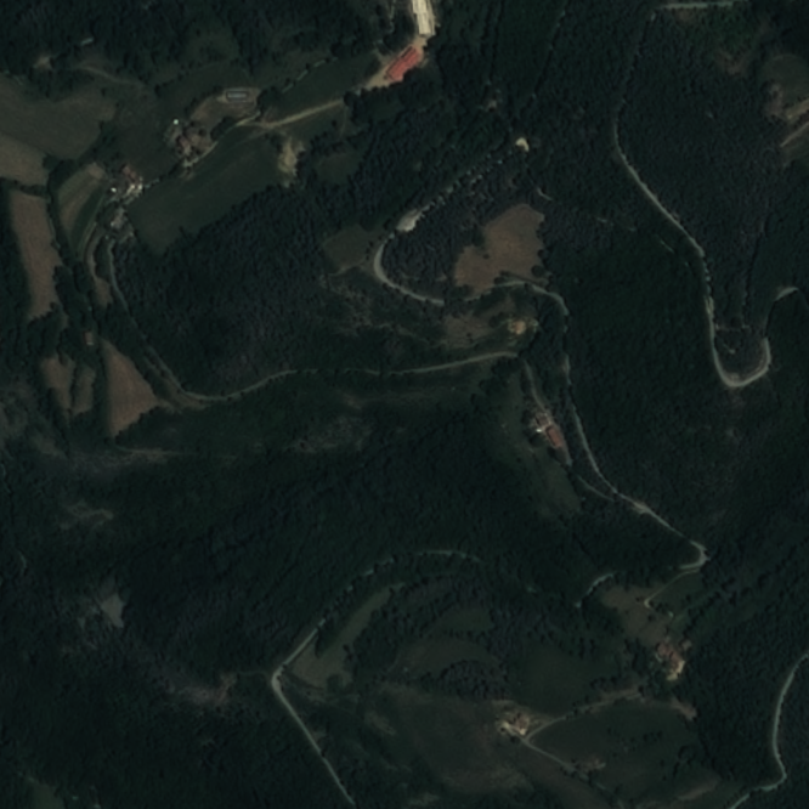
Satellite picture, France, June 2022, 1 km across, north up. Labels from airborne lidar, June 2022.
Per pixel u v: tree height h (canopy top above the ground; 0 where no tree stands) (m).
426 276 14
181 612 20
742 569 23
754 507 9
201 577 15
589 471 13
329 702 0
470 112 17
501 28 15
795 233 34
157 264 7
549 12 12
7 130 0
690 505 8
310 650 0
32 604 12
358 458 13
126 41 17
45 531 7
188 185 0
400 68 0
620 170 13
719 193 17
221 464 7
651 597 0
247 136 0
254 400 14
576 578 7
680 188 15
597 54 19
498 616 15
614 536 23
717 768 14
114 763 25
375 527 18
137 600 14
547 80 16
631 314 16
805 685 6
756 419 7
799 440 9
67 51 10
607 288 16
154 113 0
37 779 8
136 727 22
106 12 12
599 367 8
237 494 11
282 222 13
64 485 7
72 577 11
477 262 0
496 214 14
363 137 13
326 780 15
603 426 12
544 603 15
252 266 6
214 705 0
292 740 15
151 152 0
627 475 10
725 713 6
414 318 7
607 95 20
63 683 31
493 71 13
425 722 0
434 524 15
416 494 14
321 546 14
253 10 6
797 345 16
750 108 18
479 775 0
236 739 16
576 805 0
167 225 0
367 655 7
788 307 25
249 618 17
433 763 0
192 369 8
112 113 0
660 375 9
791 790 10
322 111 0
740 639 11
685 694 10
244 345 9
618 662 7
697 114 16
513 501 24
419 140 18
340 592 15
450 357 8
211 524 11
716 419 9
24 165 0
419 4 0
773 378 11
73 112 0
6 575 19
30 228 0
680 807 0
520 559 15
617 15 12
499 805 10
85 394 0
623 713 0
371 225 14
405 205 11
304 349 17
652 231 11
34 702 20
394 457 23
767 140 10
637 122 17
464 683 12
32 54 12
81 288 15
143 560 17
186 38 10
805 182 17
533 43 15
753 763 11
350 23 19
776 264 30
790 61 0
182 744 29
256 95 0
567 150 10
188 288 11
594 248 12
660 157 14
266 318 12
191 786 21
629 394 8
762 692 8
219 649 10
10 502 12
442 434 18
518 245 0
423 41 0
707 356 12
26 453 9
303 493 17
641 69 16
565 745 0
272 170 0
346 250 0
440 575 8
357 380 14
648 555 23
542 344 18
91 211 0
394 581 15
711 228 16
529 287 15
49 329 16
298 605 18
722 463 9
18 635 27
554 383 13
